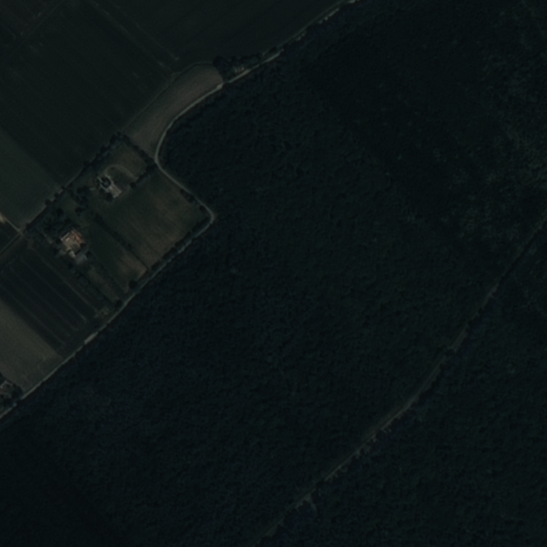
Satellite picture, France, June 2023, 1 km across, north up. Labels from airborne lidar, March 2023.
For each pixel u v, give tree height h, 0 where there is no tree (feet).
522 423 71
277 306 70
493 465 77
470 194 58
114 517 64
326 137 70
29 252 0
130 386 97
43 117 0
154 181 0
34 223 28
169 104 0
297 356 88
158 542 71
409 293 67
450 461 66
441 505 76
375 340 64
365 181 75
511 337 70
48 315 0
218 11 0
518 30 33
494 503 79
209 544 97
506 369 71
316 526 79
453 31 46
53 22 0
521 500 67
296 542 67
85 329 0
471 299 67
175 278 69
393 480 73
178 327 80
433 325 71
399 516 67
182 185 0
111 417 87
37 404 69
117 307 21
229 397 95
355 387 56
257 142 75
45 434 47
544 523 62
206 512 82
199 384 78
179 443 77
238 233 74
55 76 0
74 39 0
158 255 0
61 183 0
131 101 0
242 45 0
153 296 69
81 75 0
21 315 0
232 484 83
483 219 47
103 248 0
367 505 78
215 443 66
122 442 87
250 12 0
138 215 0
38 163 0
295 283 82
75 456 70
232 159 66
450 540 49
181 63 0
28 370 0
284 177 72
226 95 61
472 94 36
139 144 0
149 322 85
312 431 91
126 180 0
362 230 68
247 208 75
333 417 76
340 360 73
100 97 0
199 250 55
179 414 89
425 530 75
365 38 46
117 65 0
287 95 82
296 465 90
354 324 65
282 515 0
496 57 36
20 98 0
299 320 72
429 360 48
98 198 0
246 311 71
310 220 68
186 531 81
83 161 0
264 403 73
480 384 60
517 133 41
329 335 81
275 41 0
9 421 42
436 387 66
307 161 77
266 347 75
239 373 77
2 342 0
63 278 0
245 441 109
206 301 63
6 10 0
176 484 81
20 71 0
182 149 78
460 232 57
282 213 63
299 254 71
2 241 0
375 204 68
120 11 0
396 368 68
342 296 84
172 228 0
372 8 63
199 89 0
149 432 85
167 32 0
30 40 0
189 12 0
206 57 0
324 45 54
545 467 64
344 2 0
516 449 72
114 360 90
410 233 68
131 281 0
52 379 43
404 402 0
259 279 73
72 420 79
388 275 63
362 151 68
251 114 79
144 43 0
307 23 0
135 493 70
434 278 60
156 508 79
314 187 79
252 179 79
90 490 72
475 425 67
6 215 0
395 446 64
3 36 0
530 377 72
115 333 51
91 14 0
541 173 52
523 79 31
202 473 82
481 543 83
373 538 70
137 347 79
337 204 78
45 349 0
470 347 74
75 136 0
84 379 86
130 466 70
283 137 63
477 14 46
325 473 0
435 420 64
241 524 93
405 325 56
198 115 59
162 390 87
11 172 0
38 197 0
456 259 62
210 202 58
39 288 0
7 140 0
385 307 75
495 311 65
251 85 71
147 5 0
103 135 0
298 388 74
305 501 0
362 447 0
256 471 86
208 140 70
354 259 64
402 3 62
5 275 0
